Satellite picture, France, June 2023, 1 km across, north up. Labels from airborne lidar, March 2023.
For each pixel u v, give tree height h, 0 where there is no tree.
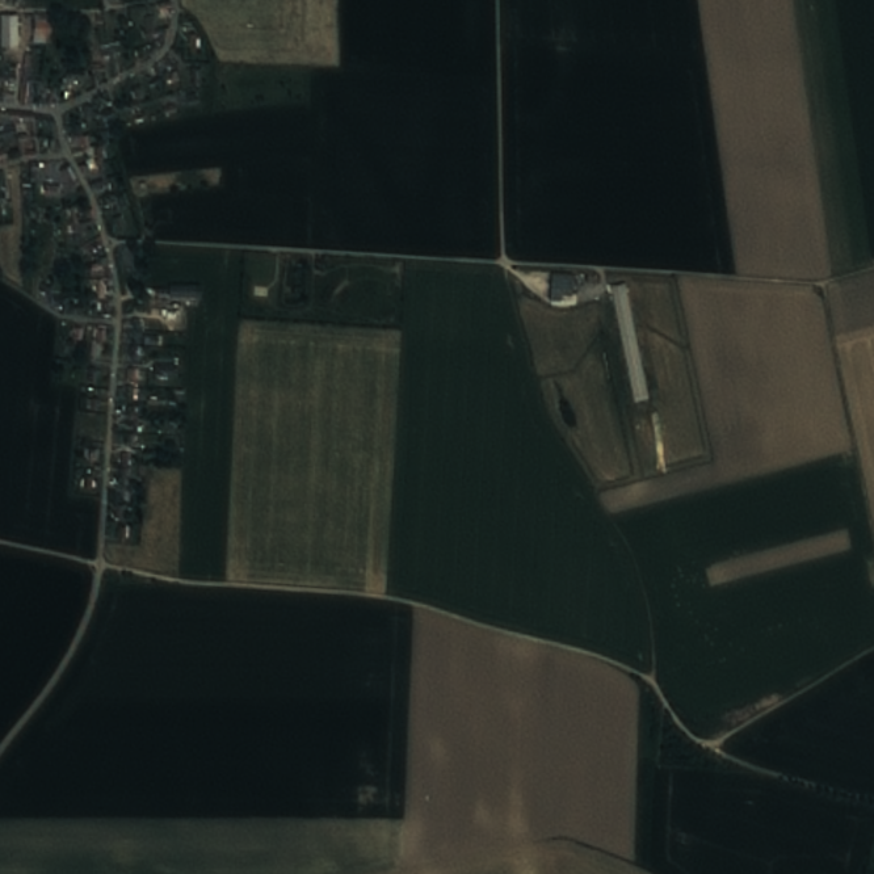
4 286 0
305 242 0
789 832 0
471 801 0
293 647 0
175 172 0
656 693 0
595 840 0
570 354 0
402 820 0
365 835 0
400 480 0
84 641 0
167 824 0
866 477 0
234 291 0
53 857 0
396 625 0
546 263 0
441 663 0
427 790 0
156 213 0
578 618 0
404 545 0
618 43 0
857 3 0
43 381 0
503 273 0
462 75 0
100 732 0
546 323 0
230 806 0
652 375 0
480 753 0
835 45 0
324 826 0
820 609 0
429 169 0
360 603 0
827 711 0
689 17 0
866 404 0
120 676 0
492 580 0
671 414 0
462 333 0
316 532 0
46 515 0
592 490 0
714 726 0
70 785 0
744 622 0
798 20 0
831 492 0
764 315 0
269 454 0
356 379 0
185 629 0
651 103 0
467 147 0
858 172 0
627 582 0
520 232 0
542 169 0
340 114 0
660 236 0
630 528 0
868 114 0
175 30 0
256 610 0
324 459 0
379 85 0
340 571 0
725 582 0
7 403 0
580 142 0
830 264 0
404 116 0
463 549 0
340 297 0
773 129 0
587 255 0
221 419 0
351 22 0
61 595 0
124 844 0
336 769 0
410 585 0
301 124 0
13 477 0
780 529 0
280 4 0
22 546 0
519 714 0
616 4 0
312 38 0
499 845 0
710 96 0
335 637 0
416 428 0
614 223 0
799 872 0
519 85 0
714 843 0
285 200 0
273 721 0
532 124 0
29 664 0
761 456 0
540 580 0
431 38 0
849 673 0
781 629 0
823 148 0
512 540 0
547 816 0
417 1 0
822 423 0
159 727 0
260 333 0
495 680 0
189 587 0
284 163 0
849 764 0
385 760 0
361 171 0
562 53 0
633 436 0
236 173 0
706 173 0
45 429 0
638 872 0
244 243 0
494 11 0
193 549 0
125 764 0
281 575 0
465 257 0
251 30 0
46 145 0
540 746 0
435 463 0
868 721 0
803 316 0
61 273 20
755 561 0
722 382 0
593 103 0
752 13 0
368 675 0
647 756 0
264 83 0
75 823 0
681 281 0
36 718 0
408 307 0
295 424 0
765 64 0
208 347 0
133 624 0
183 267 0
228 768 0
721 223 0
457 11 0
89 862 0
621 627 0
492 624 0
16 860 0
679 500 0
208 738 0
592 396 0
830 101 0
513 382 0
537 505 0
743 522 0
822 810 0
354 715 0
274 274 0
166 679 0
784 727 0
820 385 0
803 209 0
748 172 0
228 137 0
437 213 0
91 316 0
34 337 0
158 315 0
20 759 0
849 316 0
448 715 0
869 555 0
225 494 0
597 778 0
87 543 0
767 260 0
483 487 0
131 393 0
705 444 0
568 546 0
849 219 0
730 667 0
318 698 0
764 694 0
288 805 0
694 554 0
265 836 0
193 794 0
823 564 0
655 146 0
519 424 0
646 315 0
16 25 0
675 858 0
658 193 0
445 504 0
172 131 0
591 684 0
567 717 0
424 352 0
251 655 0
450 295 0
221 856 0
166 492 0
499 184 0
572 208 0
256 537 0
